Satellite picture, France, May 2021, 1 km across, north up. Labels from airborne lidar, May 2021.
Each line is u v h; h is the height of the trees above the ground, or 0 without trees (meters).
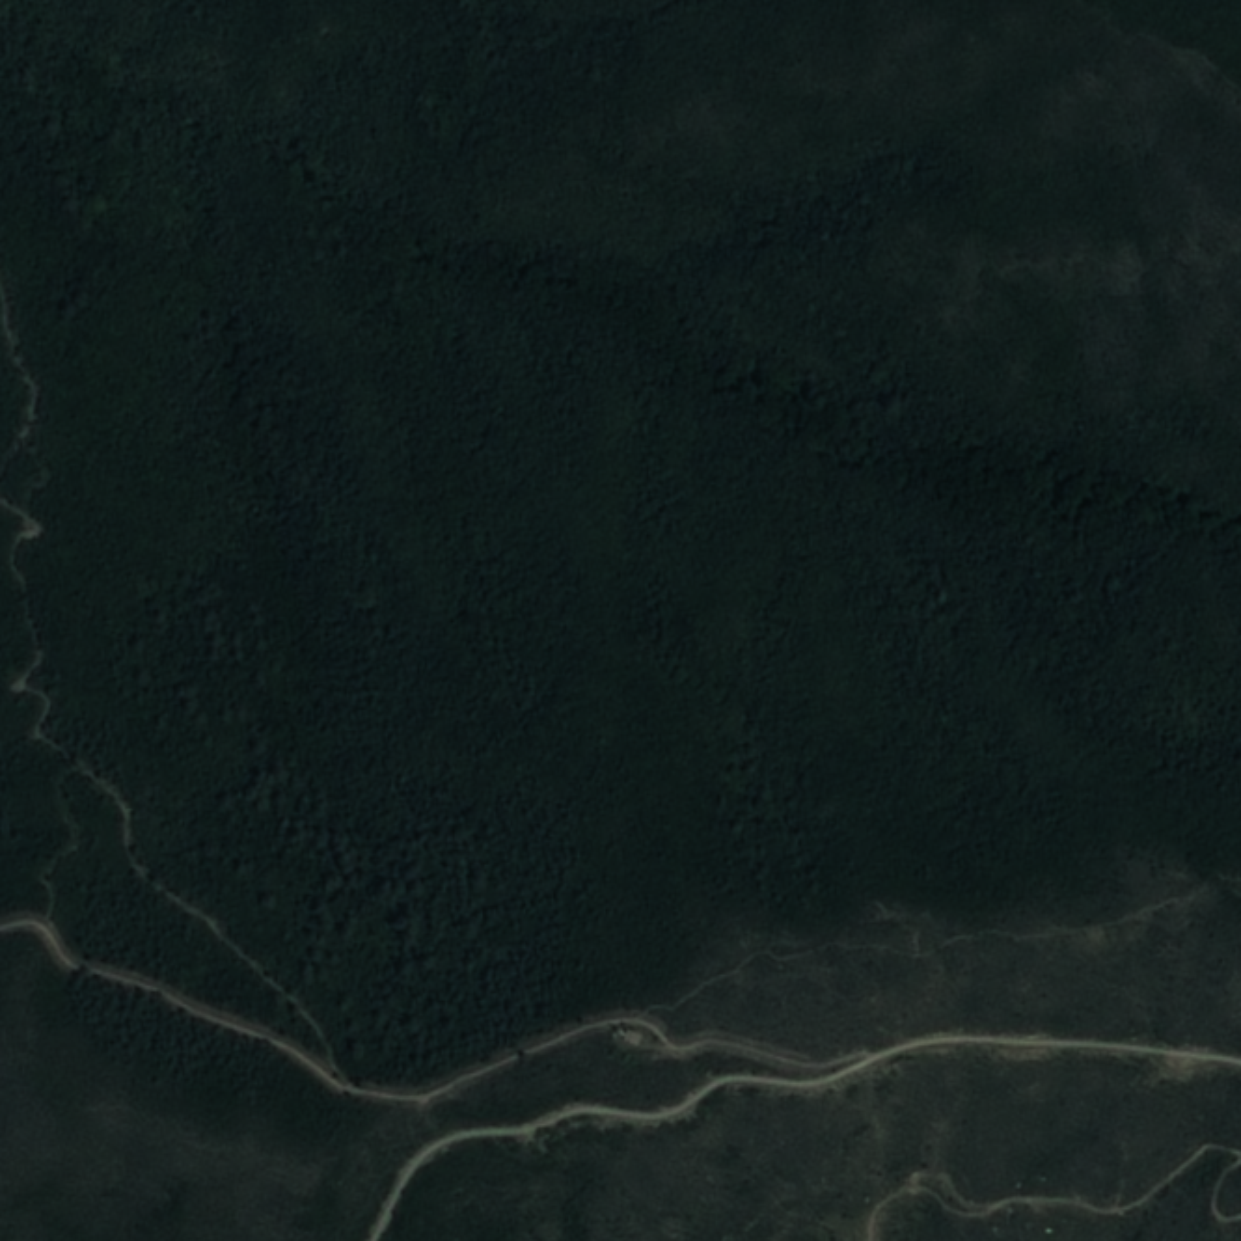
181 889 9
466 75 7
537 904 15
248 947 8
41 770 7
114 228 12
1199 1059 0
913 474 24
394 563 8
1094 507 18
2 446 10
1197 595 8
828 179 12
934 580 15
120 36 9
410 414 11
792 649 8
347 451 9
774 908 6
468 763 7
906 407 12
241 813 11
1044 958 0
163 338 9
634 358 6
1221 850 8
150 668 9
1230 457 6
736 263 10
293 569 13
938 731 9
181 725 11
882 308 8
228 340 24
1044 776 6
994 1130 0
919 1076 0
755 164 6
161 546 7
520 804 10
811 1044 0
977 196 6
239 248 18
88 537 10
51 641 7
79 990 11
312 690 20
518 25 20
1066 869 6
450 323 15
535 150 7
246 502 11
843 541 15
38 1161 0
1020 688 6
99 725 8
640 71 7
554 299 16
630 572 10
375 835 10
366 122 10
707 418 15
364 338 9
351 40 7
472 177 7
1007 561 14
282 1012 6
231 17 12
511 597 10
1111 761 6
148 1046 13
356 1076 7
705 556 8
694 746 7
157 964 10
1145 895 0
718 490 7
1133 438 8
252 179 11
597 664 7
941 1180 0
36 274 10
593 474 7
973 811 6
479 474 10
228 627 17
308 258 13
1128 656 8
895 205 8
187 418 12
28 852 8
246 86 9
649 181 6
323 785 14
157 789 7
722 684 11
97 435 11
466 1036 16
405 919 22
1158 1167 0
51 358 8
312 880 11
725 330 10
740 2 7
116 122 18
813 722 6
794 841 8
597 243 9
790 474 12
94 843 11
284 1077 6
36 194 12
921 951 0
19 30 18
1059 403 9
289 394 10
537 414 9
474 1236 6
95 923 13
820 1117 0
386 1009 9
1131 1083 0
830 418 23
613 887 6
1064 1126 0
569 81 5
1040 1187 0
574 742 7
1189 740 9
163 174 7
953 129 6
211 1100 6
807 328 13
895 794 7
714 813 8
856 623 7
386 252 24
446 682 11
